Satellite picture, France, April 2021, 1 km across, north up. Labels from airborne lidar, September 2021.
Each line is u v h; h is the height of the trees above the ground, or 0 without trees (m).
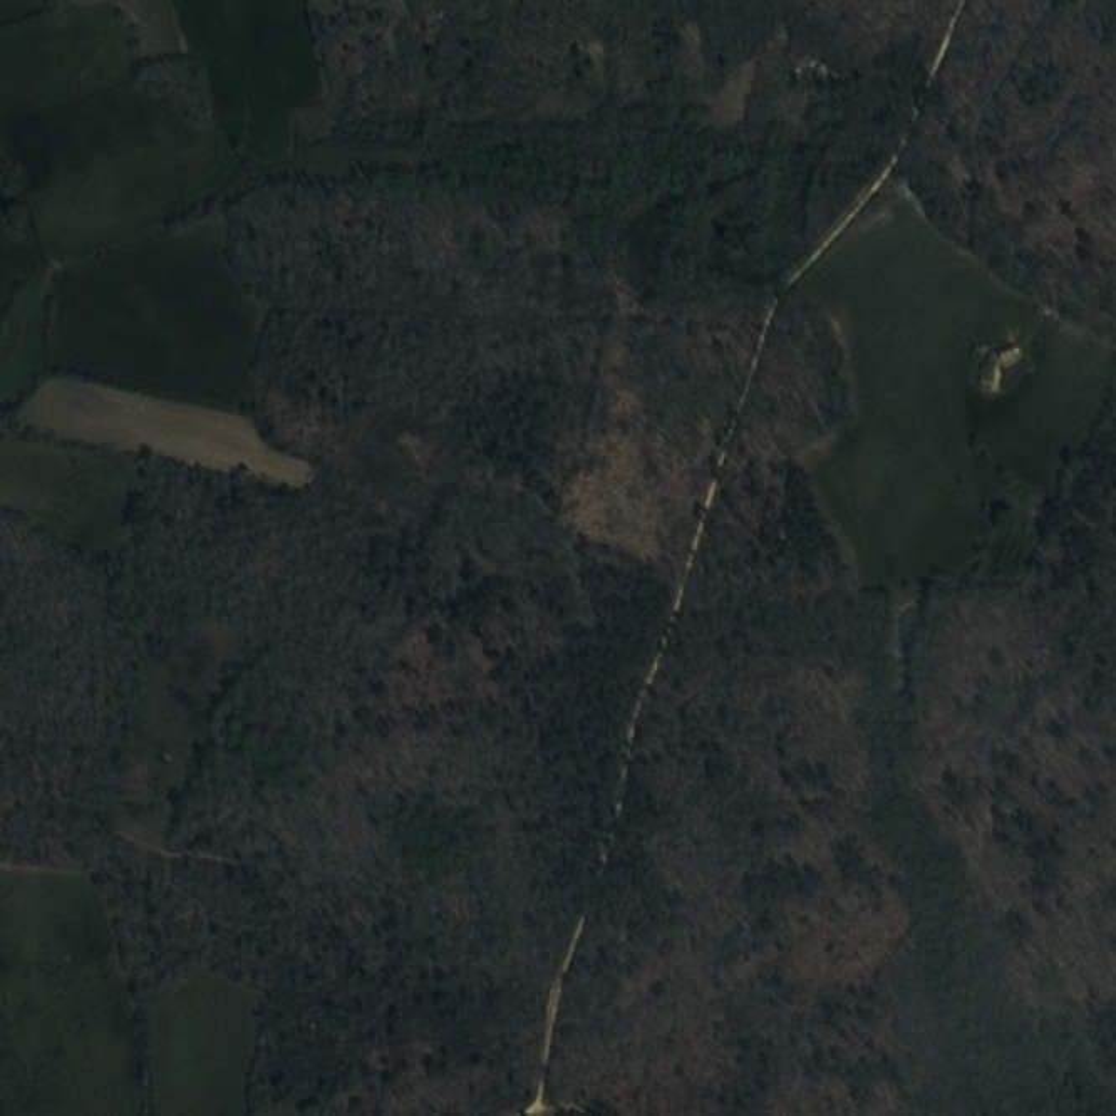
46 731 10
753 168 20
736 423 20
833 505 0
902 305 0
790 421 20
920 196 12
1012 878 16
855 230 10
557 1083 19
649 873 25
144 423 0
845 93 17
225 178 0
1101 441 14
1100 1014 18
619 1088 8
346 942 17
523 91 14
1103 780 15
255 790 13
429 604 14
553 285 10
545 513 17
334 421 9
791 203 7
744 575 9
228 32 0
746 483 8
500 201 27
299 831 14
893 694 28
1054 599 14
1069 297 17
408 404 10
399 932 17
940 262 0
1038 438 0
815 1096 11
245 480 13
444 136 16
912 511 0
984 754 17
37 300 0
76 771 10
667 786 10
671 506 10
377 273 14
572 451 6
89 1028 0
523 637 14
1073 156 14
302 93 0
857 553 0
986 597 16
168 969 9
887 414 0
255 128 0
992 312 0
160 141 0
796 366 17
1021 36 14
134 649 20
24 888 0
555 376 21
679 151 22
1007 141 10
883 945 7
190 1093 0
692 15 7
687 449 17
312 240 18
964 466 0
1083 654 10
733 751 11
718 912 10
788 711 10
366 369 7
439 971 7
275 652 15
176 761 0
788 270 20
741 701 7
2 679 13
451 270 11
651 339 21
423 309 7
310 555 7
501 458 21
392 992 16
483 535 22
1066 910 16
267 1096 9
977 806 14
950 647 12
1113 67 12
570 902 9
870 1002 13
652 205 8
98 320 0
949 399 0
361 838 15
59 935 0
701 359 17
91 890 0
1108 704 9
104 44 0
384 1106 17
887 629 21
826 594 12
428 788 13
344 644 7
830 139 11
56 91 0
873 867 15
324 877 15
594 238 22
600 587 21
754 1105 16
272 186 13
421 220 16
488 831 15
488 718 12
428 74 7
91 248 0
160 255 0
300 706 17
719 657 10
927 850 21
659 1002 20
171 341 0
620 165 22
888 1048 12
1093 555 21
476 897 14
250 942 10
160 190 0
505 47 12
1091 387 0
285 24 0
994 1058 23
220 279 0
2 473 0
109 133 0
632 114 13
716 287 16
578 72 8
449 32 12
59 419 0
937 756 11
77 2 0
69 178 0
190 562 17
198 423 0
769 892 21
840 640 17
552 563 19
